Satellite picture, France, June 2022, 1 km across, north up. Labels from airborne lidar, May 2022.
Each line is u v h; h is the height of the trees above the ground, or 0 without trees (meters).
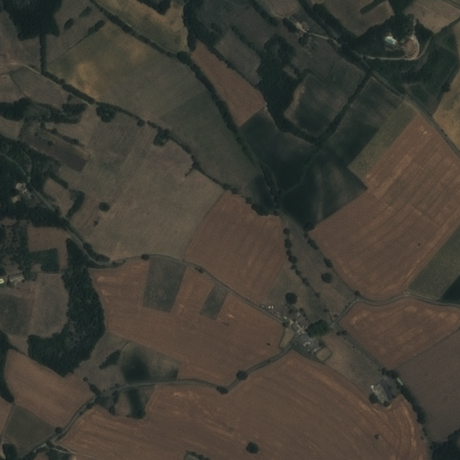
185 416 0
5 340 9
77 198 8
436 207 0
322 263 0
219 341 0
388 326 0
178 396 0
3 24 0
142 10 0
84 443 0
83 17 0
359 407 0
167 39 0
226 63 13
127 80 0
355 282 0
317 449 0
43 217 15
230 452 0
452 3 0
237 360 0
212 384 0
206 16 0
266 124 0
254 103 0
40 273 0
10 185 9
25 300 0
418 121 0
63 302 0
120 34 0
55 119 8
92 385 7
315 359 0
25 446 0
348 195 0
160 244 0
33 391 0
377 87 0
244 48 0
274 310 0
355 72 0
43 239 0
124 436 0
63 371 10
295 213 0
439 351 0
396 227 0
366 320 0
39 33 10
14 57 0
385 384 0
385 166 0
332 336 0
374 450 0
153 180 0
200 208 0
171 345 0
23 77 0
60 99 0
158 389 0
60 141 0
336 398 0
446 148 0
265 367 0
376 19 0
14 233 9
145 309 0
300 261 0
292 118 0
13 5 10
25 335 0
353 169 0
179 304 0
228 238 0
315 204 0
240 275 0
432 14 0
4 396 10
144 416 8
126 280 0
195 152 0
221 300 0
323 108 0
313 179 0
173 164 0
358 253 0
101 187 0
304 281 13
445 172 0
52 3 13
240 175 0
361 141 0
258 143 0
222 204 0
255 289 0
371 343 0
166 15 0
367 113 0
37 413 0
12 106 10
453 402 0
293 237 0
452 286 0
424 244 0
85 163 0
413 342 0
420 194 0
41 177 12
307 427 0
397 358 0
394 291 0
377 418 0
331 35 9
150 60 0
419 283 0
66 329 11
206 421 0
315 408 0
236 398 0
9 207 15
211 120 0
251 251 0
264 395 0
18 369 0
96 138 0
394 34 7
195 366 0
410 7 0
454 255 0
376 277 0
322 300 0
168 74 0
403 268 0
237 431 0
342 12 0
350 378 0
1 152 10
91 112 0
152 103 0
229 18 0
